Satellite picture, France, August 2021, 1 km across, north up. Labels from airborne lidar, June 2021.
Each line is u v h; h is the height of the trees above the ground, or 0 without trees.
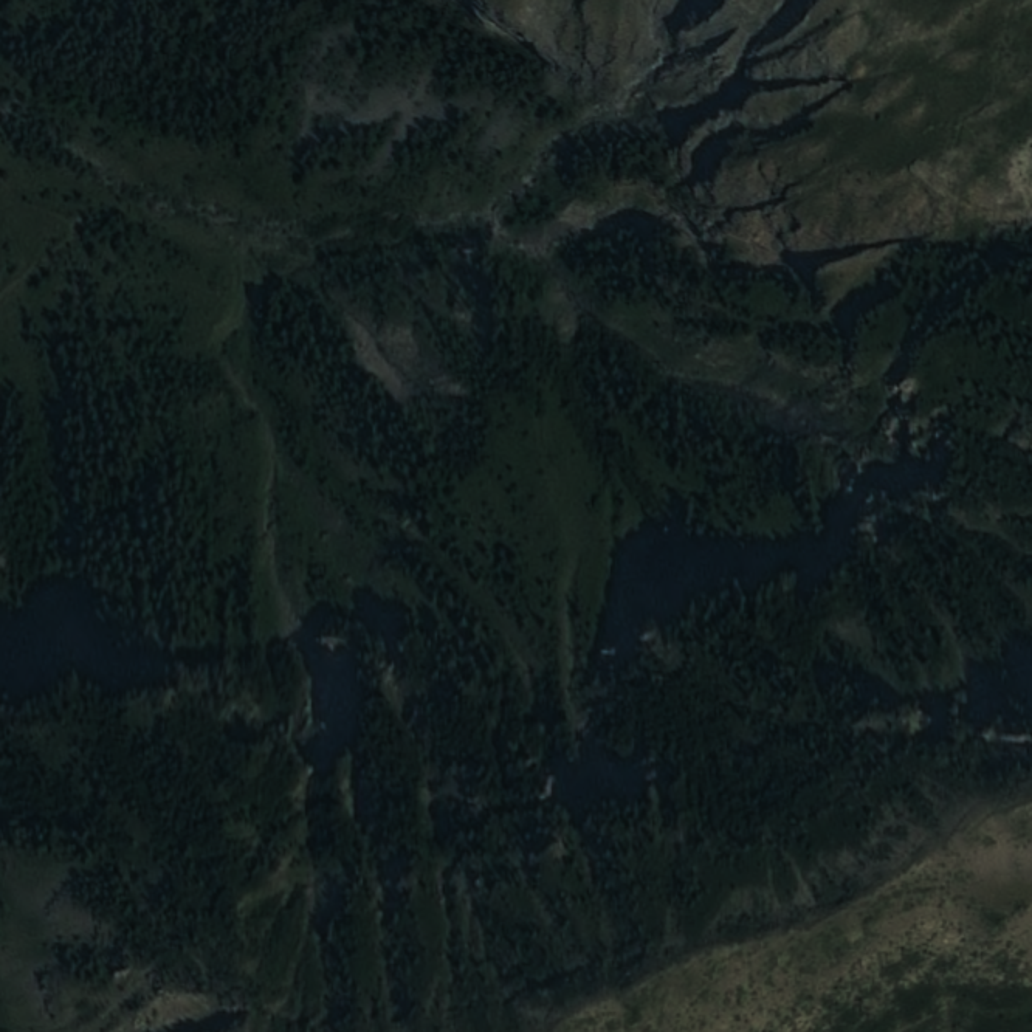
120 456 29
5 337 0
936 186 0
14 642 17
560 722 23
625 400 18
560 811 9
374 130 12
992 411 11
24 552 10
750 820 6
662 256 8
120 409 8
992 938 0
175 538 29
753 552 0
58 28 14
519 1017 0
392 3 33
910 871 0
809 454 7
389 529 7
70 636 0
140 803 6
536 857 6
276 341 7
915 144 0
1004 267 8
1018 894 0
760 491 6
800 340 14
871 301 10
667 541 20
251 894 0
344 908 9
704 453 23
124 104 7
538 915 0
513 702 9
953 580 22
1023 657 0
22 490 7
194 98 11
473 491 0
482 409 7
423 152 17
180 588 31
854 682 11
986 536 5
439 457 6
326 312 15
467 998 0
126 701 8
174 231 0
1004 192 0
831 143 0
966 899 0
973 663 0
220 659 6
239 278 0
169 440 11
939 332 13
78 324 18
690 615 14
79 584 9
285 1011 0
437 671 12
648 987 0
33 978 0
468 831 13
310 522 0
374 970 0
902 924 0
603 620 0
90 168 10
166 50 37
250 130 11
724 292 8
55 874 0
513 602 6
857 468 7
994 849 0
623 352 7
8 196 0
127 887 8
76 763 9
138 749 6
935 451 9
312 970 0
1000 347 17
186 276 0
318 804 10
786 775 6
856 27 0
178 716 9
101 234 16
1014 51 0
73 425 30
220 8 16
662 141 16
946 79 0
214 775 6
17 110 15
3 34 14
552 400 0
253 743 10
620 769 0
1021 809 0
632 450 6
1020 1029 0
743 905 0
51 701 11
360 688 10
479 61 28
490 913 6
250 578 21
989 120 0
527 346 8
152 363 6
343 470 0
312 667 0
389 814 10
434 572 8
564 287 0
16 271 6
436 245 8
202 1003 0
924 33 0
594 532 0
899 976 0
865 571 7
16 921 0
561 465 0
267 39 28
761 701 0
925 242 15
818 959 0
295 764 6
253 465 0
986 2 0
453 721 6
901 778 0
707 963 0
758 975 0
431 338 6
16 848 12
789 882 0
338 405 8
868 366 0
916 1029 0
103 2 15
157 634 9
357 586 0
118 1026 0
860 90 0
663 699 7
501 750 7
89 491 23
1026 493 8
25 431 14
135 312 8
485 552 15
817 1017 0
